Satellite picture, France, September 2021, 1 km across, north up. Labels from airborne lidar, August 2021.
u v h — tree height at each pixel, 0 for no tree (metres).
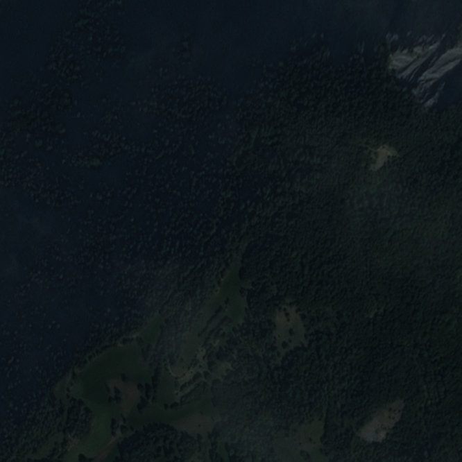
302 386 10
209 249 15
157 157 26
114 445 0
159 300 15
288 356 12
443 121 17
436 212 17
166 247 38
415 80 0
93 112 9
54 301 19
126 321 27
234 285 0
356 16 0
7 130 37
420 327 22
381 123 18
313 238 17
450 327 26
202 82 18
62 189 15
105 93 15
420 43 0
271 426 15
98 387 0
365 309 19
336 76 26
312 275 18
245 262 14
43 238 18
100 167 6
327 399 9
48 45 17
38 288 23
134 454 31
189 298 15
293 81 19
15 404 14
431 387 15
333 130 19
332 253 12
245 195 14
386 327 22
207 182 26
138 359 0
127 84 24
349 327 18
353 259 17
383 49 8
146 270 28
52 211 19
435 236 20
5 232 20
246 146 16
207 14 15
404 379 15
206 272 10
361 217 17
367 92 27
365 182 17
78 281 19
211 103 15
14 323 19
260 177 17
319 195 18
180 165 13
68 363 21
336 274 19
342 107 17
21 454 11
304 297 18
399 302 14
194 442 13
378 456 21
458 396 26
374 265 19
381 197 11
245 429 20
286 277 18
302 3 0
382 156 0
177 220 29
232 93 15
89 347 20
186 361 0
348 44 18
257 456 25
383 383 16
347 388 15
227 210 8
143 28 29
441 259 22
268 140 16
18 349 23
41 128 28
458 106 13
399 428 15
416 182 26
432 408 20
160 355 12
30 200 20
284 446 0
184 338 13
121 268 14
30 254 18
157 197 17
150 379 0
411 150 17
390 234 21
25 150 20
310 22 0
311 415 22
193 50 22
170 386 0
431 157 16
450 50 0
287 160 12
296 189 28
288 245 20
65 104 16
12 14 19
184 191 12
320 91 27
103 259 24
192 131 24
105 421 0
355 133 20
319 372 10
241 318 0
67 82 22
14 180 18
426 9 0
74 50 21
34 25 20
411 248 20
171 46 11
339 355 24
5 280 20
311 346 9
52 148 16
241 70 21
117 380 0
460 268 20
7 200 17
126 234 14
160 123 24
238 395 20
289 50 17
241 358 11
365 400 15
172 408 10
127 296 23
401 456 19
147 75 20
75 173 10
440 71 0
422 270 19
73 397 0
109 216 16
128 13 29
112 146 21
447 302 23
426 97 0
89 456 0
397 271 16
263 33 0
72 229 22
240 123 15
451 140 19
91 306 14
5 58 17
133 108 26
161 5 19
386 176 19
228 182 19
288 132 18
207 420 0
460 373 22
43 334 14
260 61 15
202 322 0
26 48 17
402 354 15
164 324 0
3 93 24
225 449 0
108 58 31
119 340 20
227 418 17
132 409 0
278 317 0
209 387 13
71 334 9
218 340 10
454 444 12
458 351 20
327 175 16
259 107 26
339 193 14
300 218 18
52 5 20
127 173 17
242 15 13
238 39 17
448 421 19
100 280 19
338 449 11
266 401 21
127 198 19
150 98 28
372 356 18
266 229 14
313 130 21
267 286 12
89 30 27
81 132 9
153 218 21
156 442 20
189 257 22
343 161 21
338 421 8
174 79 27
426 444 14
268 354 19
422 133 15
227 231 18
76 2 19
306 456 11
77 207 15
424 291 21
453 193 15
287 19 0
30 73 21
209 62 14
